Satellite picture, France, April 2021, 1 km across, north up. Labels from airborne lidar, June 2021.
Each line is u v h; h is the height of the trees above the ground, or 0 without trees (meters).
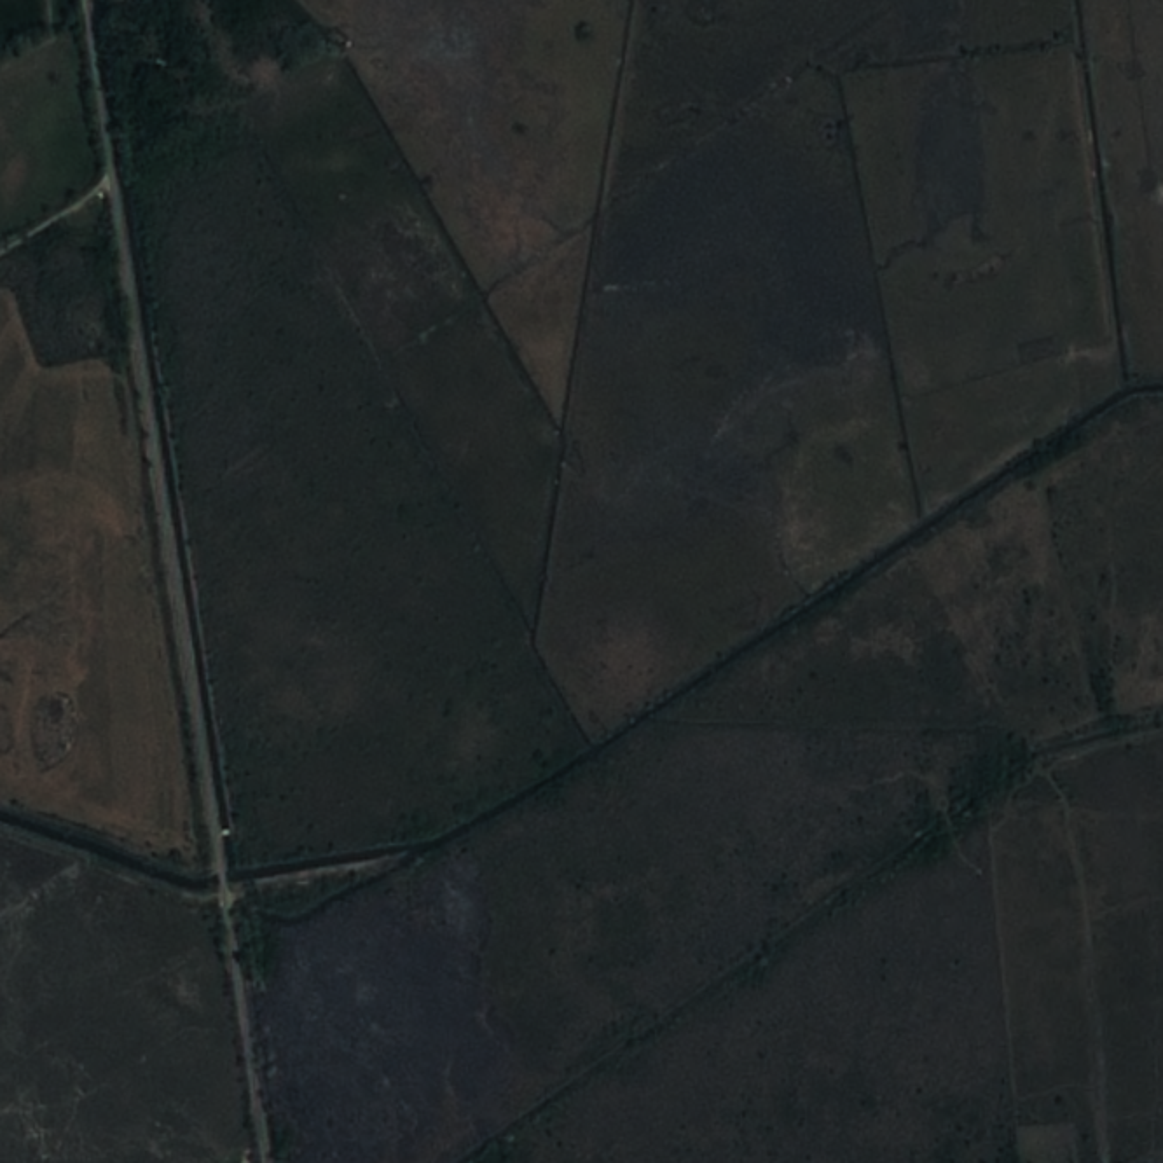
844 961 0
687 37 0
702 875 0
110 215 8
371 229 0
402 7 0
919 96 0
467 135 0
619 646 0
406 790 0
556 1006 0
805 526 0
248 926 15
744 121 0
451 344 0
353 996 0
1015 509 0
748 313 0
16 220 0
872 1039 0
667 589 0
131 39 13
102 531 0
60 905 0
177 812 0
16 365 0
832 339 0
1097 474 0
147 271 8
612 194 0
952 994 0
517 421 0
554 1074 0
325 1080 0
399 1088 0
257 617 0
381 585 0
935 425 0
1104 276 0
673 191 0
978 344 0
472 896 0
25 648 0
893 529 0
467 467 0
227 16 8
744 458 0
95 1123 0
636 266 0
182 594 0
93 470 0
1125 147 0
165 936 0
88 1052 0
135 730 0
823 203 0
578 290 0
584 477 0
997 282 0
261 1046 10
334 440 0
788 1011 0
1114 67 0
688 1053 0
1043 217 0
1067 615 0
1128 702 0
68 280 6
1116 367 0
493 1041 0
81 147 0
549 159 0
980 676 0
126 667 0
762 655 0
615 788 0
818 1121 0
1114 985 0
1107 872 0
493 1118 0
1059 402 0
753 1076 0
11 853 0
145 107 11
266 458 0
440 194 0
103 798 0
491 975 0
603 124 0
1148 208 0
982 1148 0
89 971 0
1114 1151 0
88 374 0
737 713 0
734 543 0
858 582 0
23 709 0
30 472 0
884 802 0
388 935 0
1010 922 0
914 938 0
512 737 0
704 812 0
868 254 0
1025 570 0
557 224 0
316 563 0
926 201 0
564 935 0
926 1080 0
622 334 0
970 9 0
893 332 0
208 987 0
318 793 0
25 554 0
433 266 0
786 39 0
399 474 0
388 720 0
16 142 0
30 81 0
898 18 0
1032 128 0
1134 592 0
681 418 0
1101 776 0
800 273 0
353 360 0
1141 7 0
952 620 0
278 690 0
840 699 0
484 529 0
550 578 0
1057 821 0
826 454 0
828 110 0
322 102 0
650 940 0
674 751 0
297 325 0
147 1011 0
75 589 0
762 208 0
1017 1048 0
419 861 8
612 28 0
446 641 0
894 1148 0
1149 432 0
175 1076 0
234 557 0
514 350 0
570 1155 0
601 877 0
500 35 0
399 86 0
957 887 0
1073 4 0
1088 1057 0
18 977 0
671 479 0
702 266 0
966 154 0
